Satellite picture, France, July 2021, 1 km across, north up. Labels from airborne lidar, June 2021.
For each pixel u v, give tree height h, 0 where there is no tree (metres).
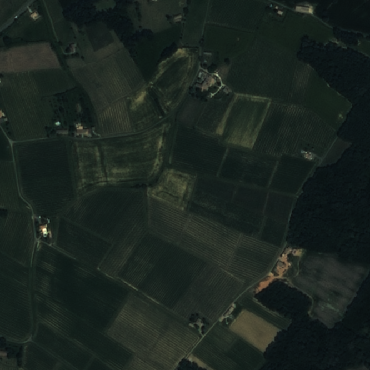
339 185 25
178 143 0
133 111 0
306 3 0
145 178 0
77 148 0
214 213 0
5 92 0
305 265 0
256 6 0
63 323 0
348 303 0
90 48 0
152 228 0
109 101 0
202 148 0
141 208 0
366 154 22
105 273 0
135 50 6
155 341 0
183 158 0
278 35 0
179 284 0
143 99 0
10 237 0
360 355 23
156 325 0
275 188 0
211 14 0
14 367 0
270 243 0
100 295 0
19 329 0
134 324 0
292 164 0
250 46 0
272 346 16
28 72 0
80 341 0
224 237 0
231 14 0
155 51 0
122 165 0
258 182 0
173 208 0
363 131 21
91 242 0
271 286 12
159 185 0
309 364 22
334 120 0
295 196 0
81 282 0
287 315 21
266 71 0
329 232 16
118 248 0
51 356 0
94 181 0
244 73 0
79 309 0
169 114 0
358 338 24
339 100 0
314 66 13
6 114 0
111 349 0
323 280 0
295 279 0
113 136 0
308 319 23
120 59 0
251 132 0
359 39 11
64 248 0
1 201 0
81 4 21
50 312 0
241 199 0
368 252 16
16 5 0
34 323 0
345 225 14
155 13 0
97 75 0
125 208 0
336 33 21
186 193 0
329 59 20
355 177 27
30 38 0
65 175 0
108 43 0
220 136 0
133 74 0
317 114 0
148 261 0
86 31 0
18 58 0
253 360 0
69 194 0
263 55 0
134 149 0
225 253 0
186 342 0
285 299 22
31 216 0
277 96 0
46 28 0
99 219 0
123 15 9
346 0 0
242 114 0
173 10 0
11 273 0
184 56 0
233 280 0
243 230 0
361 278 0
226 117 0
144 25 0
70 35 0
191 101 0
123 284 0
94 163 0
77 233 0
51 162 0
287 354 15
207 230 0
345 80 21
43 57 0
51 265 0
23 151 0
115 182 0
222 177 0
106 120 0
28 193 0
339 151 0
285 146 0
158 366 0
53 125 0
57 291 0
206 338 0
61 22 0
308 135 0
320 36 0
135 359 0
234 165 0
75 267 0
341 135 17
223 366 0
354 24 0
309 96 0
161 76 0
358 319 25
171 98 0
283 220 0
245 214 0
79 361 0
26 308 0
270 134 0
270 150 0
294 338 25
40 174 0
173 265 0
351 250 19
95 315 0
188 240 0
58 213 0
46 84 0
